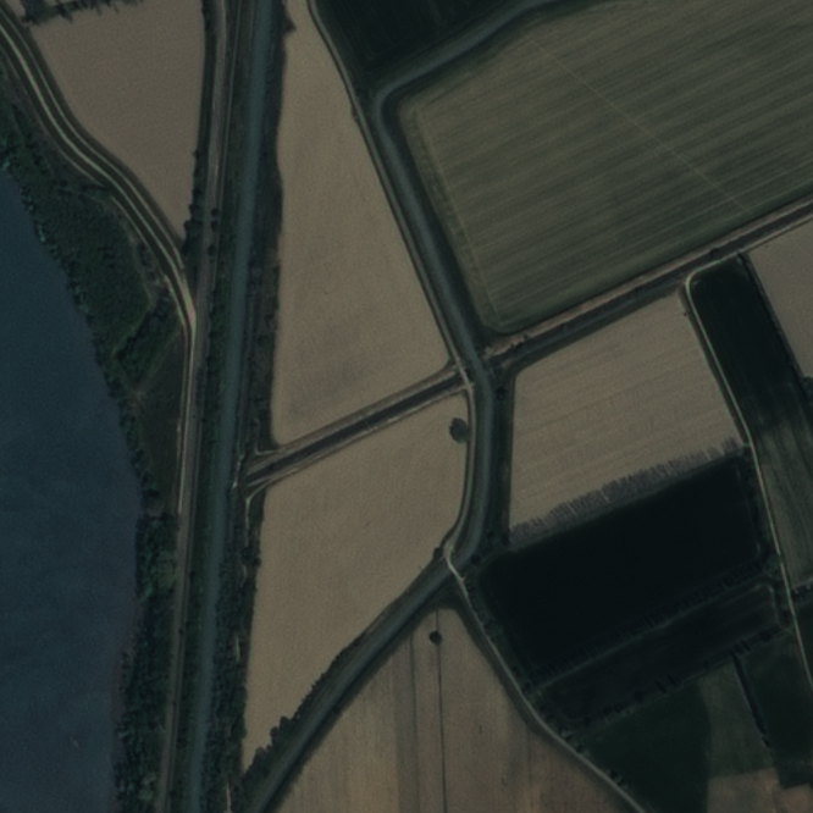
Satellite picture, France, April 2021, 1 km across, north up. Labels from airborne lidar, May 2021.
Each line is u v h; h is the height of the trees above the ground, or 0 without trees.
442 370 0
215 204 0
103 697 0
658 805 0
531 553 0
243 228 0
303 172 0
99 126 0
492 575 0
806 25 0
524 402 0
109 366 17
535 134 0
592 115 0
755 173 0
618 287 0
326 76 0
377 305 0
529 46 0
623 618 0
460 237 0
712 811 0
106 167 0
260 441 0
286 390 0
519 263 0
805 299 0
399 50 0
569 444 0
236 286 0
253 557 13
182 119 0
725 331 0
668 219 0
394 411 0
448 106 0
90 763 0
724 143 0
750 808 0
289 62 0
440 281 0
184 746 8
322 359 0
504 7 0
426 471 0
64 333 0
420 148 0
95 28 0
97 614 0
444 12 0
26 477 0
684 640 0
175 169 0
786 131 0
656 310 0
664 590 0
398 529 0
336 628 0
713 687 0
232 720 6
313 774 0
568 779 0
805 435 0
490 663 0
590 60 0
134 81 0
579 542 0
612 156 0
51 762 0
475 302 0
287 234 0
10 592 0
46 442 0
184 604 0
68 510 0
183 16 0
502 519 6
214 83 0
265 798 0
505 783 0
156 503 19
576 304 0
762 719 25
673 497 0
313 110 0
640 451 0
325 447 0
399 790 0
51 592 0
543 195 0
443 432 0
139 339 19
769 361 0
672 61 0
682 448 0
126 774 10
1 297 0
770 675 0
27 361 0
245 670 16
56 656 0
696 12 0
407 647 0
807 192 0
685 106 0
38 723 0
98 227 22
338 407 0
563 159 0
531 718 0
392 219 0
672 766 0
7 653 0
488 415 0
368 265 0
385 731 0
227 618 9
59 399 0
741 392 0
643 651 0
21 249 0
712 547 0
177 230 0
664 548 0
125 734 14
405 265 0
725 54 0
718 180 0
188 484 0
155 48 0
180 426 0
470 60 0
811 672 0
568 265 0
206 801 10
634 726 0
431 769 0
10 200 0
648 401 0
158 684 29
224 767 9
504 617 0
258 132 0
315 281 0
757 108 0
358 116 0
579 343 0
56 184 7
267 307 0
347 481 0
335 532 0
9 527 0
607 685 0
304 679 0
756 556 0
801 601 20
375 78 0
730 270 0
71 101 0
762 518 12
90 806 0
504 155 0
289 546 0
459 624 0
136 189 0
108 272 22
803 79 0
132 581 0
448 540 0
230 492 9
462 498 0
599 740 0
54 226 24
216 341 12
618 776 13
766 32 0
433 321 0
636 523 0
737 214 0
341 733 0
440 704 0
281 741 12
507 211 0
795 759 0
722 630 0
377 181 0
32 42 0
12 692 0
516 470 0
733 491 0
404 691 0
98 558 0
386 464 0
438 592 0
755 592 0
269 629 0
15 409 0
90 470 0
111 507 0
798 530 0
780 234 0
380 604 0
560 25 0
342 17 0
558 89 0
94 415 0
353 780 0
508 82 0
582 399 0
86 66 0
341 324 0
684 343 0
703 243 0
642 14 0
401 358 0
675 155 0
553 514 0
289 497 0
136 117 0
